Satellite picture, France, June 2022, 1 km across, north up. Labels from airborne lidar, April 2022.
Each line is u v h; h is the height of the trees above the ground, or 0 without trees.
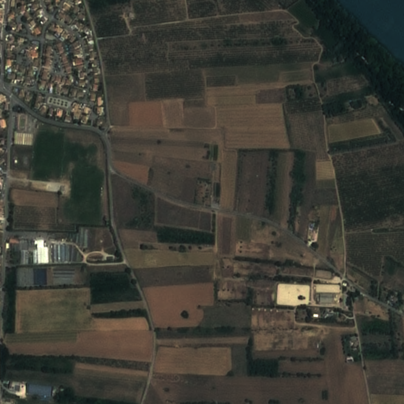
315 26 9
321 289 0
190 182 0
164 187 0
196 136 0
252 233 0
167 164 0
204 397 0
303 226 0
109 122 0
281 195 0
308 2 14
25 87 0
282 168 0
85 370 0
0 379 8
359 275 0
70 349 0
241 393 0
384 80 20
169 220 0
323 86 6
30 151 0
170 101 0
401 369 0
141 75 0
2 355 11
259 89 0
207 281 0
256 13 0
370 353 5
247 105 0
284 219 0
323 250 0
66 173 0
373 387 0
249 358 7
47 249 0
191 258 0
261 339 0
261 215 0
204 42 0
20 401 0
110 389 0
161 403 0
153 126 0
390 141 9
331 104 12
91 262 6
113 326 0
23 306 0
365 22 0
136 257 0
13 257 6
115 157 0
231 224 0
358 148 8
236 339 0
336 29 22
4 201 0
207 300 0
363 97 7
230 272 0
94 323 0
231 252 0
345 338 8
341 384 0
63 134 0
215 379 0
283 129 0
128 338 0
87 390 0
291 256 0
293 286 0
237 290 0
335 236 0
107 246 0
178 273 0
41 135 0
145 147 0
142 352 0
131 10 0
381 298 10
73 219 0
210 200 0
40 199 0
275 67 0
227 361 0
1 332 0
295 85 10
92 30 0
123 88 0
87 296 0
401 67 13
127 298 0
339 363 0
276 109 0
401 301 11
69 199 0
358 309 0
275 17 0
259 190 0
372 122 0
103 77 0
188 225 0
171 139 0
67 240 0
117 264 0
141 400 0
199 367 0
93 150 0
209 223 0
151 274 0
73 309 0
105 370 0
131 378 0
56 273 0
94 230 0
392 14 0
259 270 0
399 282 0
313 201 0
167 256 0
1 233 0
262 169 0
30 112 0
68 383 0
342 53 6
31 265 7
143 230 0
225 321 0
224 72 0
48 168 0
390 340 7
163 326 0
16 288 12
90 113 0
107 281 7
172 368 0
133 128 0
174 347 0
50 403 0
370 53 14
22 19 10
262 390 0
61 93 7
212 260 0
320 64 0
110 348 0
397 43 0
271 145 0
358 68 9
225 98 0
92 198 0
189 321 0
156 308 0
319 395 0
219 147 0
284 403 0
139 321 0
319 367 0
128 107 0
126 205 0
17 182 0
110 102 0
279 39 6
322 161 0
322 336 0
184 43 0
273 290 0
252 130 0
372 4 0
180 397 0
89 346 0
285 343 0
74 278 0
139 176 0
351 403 0
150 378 0
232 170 0
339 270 0
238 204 0
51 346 0
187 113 0
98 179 0
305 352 0
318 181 0
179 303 0
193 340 0
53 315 0
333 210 0
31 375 0
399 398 0
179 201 0
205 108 0
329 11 19
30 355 7
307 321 10
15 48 0
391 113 6
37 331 0
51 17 0
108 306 0
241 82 0
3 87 0
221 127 0
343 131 0
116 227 0
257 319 0
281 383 0
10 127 0
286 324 0
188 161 0
